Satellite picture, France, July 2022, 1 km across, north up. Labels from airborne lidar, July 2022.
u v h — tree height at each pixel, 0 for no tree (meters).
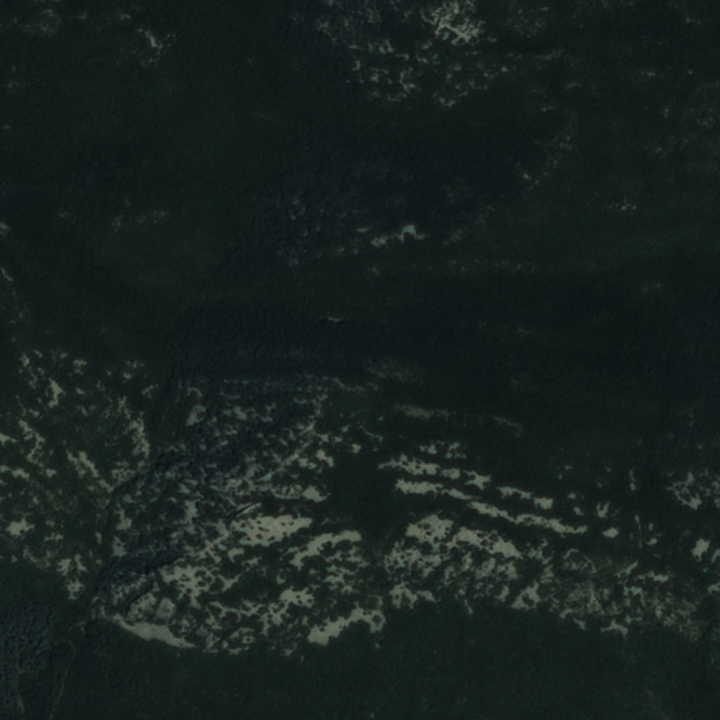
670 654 9
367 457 9
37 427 10
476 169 9
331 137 10
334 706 9
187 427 5
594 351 15
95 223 7
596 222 7
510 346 9
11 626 22
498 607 7
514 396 7
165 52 11
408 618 8
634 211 5
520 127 9
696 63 6
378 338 12
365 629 7
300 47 8
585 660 8
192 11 13
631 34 9
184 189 10
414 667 7
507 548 0
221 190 12
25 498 7
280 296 10
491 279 11
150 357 7
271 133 11
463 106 6
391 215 9
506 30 8
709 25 7
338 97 10
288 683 8
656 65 6
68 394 6
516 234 7
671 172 6
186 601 8
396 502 8
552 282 15
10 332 6
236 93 9
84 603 8
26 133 8
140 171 15
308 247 7
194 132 8
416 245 7
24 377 7
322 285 7
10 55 9
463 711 7
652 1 10
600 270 8
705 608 10
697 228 5
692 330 8
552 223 9
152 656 7
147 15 13
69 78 9
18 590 8
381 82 6
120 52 8
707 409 6
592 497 7
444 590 6
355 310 8
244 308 10
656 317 9
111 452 7
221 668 8
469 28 0
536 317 12
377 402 6
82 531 7
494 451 6
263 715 7
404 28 8
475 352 9
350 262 6
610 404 7
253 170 10
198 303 8
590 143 7
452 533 6
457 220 6
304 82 8
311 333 11
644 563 8
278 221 8
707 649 8
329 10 9
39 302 11
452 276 8
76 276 15
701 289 10
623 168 6
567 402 8
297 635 6
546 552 8
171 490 6
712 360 6
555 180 6
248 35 9
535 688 8
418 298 9
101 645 7
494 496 6
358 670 9
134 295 15
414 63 7
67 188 9
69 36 10
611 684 7
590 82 6
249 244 8
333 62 6
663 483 7
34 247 14
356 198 6
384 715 8
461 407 7
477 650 8
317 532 6
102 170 15
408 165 6
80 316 8
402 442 6
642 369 15
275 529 0
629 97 7
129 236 8
